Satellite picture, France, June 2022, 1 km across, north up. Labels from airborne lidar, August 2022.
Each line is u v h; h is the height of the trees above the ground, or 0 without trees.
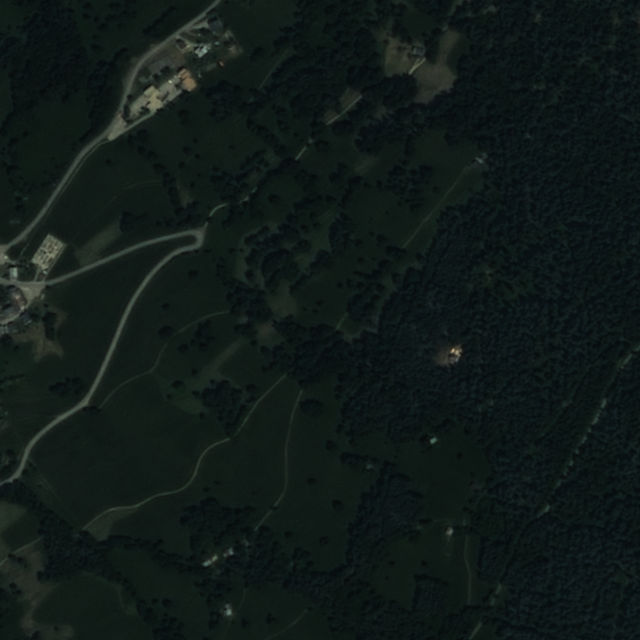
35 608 0
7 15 0
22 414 0
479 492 13
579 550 20
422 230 0
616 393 10
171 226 18
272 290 15
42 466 0
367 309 17
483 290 14
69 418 0
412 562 0
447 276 17
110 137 0
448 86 0
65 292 0
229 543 12
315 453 0
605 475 12
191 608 0
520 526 17
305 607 0
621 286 21
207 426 0
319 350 20
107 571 19
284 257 25
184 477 0
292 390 0
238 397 18
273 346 0
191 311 0
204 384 0
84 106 0
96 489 0
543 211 17
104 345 0
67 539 18
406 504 24
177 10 10
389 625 20
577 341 30
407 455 0
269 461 0
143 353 0
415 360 28
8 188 0
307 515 0
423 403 22
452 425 25
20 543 0
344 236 27
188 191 0
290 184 0
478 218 20
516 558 17
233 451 0
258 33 0
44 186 9
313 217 14
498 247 7
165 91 0
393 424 21
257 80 0
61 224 0
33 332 0
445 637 16
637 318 22
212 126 0
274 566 19
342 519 0
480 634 0
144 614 19
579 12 20
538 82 16
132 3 20
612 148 23
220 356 0
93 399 0
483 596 0
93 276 0
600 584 27
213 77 0
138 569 0
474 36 30
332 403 0
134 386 0
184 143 0
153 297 0
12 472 9
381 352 12
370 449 0
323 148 20
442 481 0
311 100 22
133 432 0
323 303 9
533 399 24
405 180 14
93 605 0
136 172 0
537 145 15
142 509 0
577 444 9
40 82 22
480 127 19
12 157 20
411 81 23
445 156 0
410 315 28
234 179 14
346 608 10
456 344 22
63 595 0
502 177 12
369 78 26
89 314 0
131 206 0
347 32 10
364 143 20
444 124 28
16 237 0
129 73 0
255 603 0
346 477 0
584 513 15
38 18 21
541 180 31
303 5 20
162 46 0
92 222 0
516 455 18
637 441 24
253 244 15
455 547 0
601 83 18
